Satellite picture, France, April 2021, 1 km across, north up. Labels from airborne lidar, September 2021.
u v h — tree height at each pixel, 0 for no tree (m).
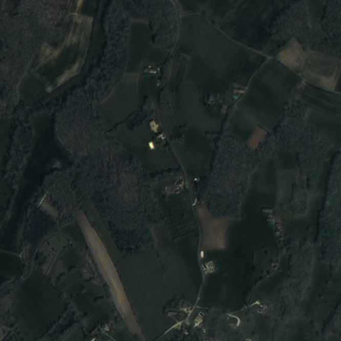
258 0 0
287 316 21
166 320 0
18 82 13
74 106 15
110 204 15
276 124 0
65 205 23
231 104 7
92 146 21
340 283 0
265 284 0
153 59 0
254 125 0
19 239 0
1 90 11
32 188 0
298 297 18
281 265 0
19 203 0
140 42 0
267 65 0
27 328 0
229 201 20
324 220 26
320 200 0
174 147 0
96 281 15
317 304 11
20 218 0
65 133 22
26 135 23
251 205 0
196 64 0
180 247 0
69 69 0
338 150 0
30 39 18
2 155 0
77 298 0
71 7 0
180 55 0
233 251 0
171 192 0
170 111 18
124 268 0
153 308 0
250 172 19
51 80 0
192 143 0
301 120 17
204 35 0
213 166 15
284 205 6
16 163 11
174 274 0
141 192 23
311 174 21
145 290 0
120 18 21
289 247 17
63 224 15
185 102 0
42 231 17
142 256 0
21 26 21
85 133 22
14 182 13
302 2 23
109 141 26
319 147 23
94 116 22
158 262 0
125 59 16
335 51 15
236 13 0
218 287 0
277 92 0
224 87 0
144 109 12
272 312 0
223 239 0
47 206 0
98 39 0
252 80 0
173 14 18
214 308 12
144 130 0
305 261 21
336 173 15
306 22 22
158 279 0
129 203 19
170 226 8
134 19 24
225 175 19
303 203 20
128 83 0
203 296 0
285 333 17
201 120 0
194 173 0
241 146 26
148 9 22
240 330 0
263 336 0
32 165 0
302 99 0
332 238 21
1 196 0
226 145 25
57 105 7
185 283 0
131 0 24
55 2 6
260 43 0
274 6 0
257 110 0
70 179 16
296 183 0
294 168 0
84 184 25
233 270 0
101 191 17
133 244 19
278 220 0
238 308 0
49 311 0
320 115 0
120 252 11
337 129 0
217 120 0
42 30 22
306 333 0
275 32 24
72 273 13
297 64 0
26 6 20
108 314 0
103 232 0
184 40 0
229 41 0
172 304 8
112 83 26
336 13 24
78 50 0
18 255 0
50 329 17
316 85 0
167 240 0
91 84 31
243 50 0
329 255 27
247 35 0
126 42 14
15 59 13
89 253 14
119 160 9
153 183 20
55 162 0
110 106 0
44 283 0
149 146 0
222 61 0
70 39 0
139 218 26
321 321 0
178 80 0
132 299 0
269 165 0
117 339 0
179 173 17
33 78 0
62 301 13
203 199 20
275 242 0
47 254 0
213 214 20
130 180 19
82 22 0
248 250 0
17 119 30
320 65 0
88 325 0
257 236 0
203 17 10
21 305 0
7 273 0
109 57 20
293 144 24
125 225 23
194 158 0
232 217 23
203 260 0
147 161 0
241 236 0
